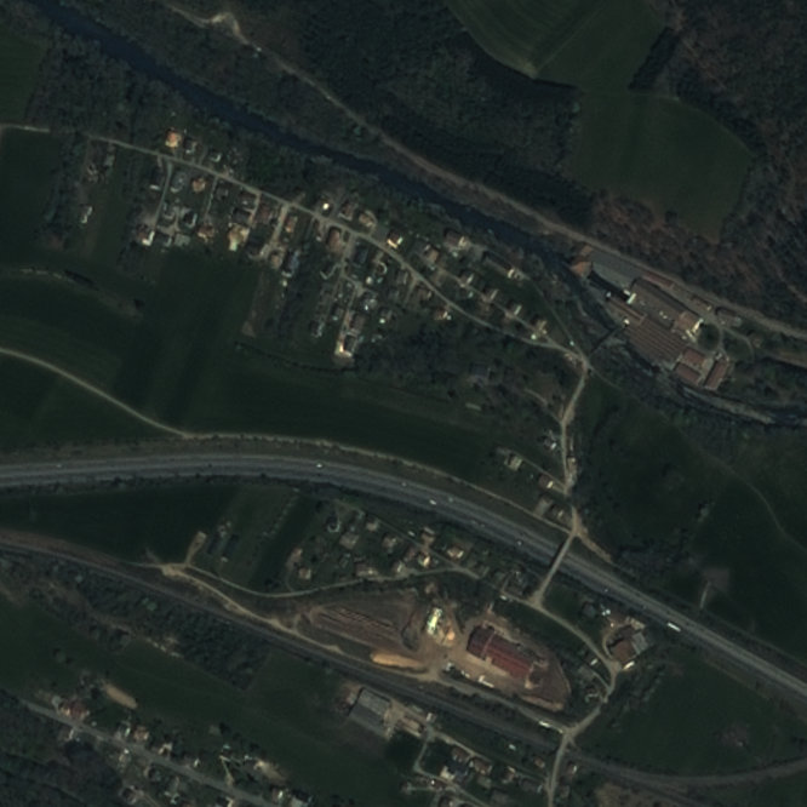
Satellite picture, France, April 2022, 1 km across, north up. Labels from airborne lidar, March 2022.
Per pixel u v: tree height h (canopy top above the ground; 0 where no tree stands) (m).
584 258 0
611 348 0
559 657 6
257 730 0
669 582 21
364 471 0
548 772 0
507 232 0
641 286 0
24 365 0
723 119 32
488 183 16
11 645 0
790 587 0
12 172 0
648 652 7
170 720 0
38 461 0
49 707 0
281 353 0
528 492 0
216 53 24
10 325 0
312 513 0
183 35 22
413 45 17
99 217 0
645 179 0
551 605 0
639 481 0
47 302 0
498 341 24
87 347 0
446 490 0
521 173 22
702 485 0
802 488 0
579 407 0
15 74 0
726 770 0
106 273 0
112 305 0
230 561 0
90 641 0
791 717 0
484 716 0
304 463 0
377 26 19
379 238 0
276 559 0
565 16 0
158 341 0
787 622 0
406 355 0
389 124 22
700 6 10
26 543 0
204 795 0
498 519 0
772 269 25
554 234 0
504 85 17
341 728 0
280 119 27
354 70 17
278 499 0
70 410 0
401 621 0
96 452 0
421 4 16
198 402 0
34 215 0
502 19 0
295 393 0
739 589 0
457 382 18
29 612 0
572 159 17
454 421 0
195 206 0
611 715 12
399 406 0
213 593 0
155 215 0
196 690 0
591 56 0
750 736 0
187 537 0
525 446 0
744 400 11
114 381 0
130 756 0
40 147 0
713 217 0
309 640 0
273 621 0
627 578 6
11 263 0
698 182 0
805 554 0
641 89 13
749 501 0
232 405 0
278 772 0
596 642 0
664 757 0
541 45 0
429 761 0
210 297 0
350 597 0
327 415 0
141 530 0
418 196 0
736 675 0
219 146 0
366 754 0
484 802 0
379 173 0
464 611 0
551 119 12
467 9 0
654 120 0
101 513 0
